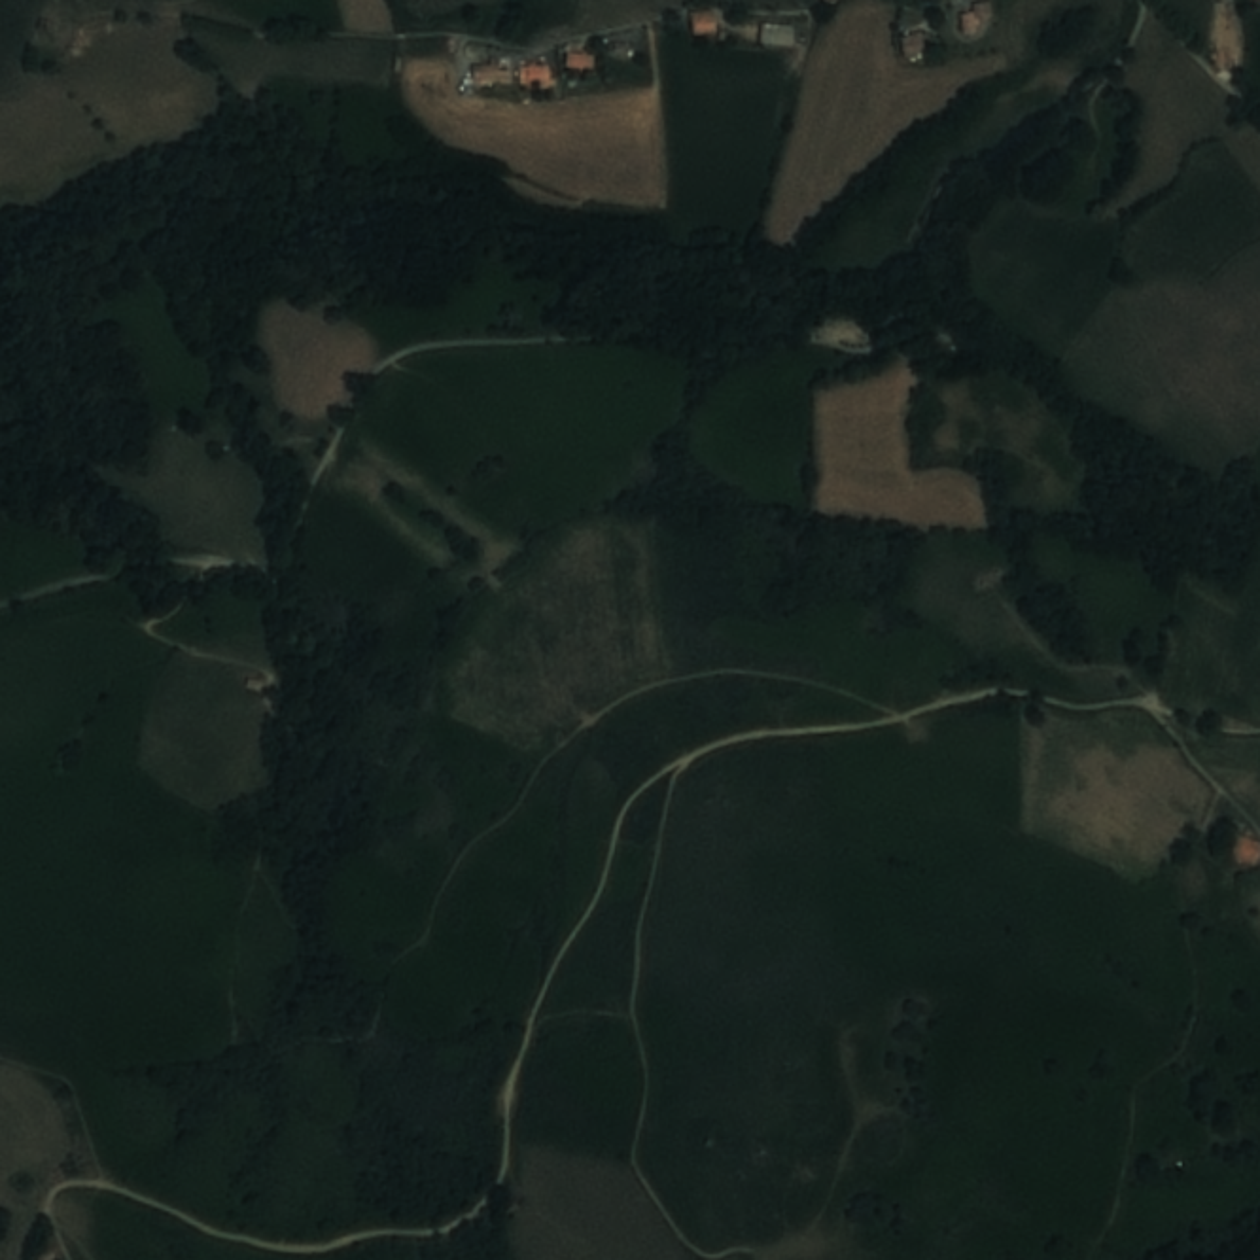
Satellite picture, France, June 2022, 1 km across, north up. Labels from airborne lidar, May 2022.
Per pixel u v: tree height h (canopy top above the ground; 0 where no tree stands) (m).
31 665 0
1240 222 0
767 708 0
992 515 8
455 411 0
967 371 12
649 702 0
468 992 0
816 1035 0
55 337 19
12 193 0
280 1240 0
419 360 0
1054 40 12
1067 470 0
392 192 21
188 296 21
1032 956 0
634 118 0
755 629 0
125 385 16
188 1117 15
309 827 7
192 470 0
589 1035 0
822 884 0
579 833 0
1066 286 0
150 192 22
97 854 0
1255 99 12
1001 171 24
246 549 0
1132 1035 0
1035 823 0
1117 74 14
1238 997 12
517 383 0
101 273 17
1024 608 15
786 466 0
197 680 0
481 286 0
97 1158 0
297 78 0
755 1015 0
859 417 0
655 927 0
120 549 19
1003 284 0
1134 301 0
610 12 0
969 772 0
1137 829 0
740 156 0
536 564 0
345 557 0
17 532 0
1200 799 0
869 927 0
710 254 21
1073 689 0
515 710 0
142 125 0
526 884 0
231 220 17
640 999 0
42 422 28
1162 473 20
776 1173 0
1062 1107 0
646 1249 0
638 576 0
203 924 0
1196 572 14
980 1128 0
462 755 0
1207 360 0
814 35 0
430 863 0
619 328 22
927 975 0
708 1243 0
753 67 0
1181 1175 8
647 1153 0
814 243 17
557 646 0
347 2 0
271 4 0
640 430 0
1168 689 0
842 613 0
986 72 0
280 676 7
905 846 0
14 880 0
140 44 0
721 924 0
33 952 0
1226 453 0
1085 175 0
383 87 0
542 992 0
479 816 0
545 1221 0
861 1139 0
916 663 0
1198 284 0
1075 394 7
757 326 18
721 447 0
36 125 0
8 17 0
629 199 0
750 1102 0
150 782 0
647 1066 0
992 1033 0
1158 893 0
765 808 0
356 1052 8
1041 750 0
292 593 12
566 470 0
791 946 0
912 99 0
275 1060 7
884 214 0
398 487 7
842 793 0
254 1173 9
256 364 22
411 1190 9
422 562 0
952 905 0
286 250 23
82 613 0
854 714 0
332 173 21
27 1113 0
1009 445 0
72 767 7
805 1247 0
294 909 11
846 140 0
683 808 0
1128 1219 0
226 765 0
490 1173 9
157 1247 0
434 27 0
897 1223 10
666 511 12
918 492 0
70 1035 0
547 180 0
